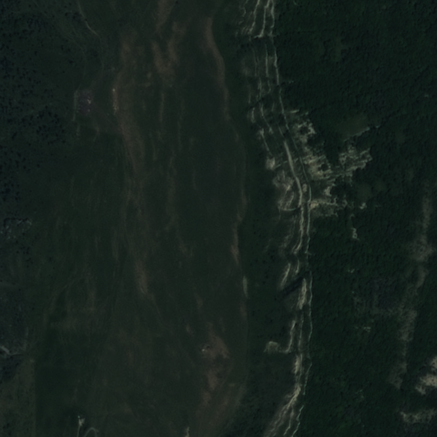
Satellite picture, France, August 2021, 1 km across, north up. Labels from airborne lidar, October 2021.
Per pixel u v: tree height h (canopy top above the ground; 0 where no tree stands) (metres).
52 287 0
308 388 12
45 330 0
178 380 0
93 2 0
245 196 0
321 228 12
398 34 22
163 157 0
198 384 0
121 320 0
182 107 0
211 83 0
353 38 13
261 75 0
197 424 0
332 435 20
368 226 17
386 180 13
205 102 0
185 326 0
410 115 16
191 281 0
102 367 0
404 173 8
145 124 0
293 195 0
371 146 9
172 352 0
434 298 19
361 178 16
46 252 0
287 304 0
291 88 16
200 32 0
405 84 14
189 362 0
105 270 0
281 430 0
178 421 0
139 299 0
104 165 0
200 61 0
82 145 0
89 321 0
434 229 13
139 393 0
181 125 0
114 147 0
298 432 14
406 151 13
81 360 0
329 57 11
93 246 0
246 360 0
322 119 21
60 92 0
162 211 0
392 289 10
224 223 0
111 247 0
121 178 0
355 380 13
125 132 0
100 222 0
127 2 0
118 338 0
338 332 15
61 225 0
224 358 0
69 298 0
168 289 0
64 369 0
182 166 0
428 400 15
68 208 0
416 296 6
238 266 0
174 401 0
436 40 18
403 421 11
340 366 14
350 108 12
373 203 14
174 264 0
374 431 16
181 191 0
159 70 0
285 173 0
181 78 0
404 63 23
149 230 0
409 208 9
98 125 0
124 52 0
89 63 0
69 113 0
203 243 0
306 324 8
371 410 14
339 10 15
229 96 0
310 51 23
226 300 0
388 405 20
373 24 16
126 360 0
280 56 15
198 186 0
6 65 8
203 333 0
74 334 0
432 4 24
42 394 0
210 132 0
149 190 0
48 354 0
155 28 0
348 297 12
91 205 0
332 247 19
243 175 0
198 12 0
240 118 0
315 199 0
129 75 0
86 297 0
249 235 0
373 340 7
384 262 12
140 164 0
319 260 11
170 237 0
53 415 0
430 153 17
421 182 11
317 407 12
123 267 0
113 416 0
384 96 19
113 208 0
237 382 0
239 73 6
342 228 18
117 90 0
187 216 0
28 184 0
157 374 0
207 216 0
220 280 0
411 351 7
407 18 21
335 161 9
